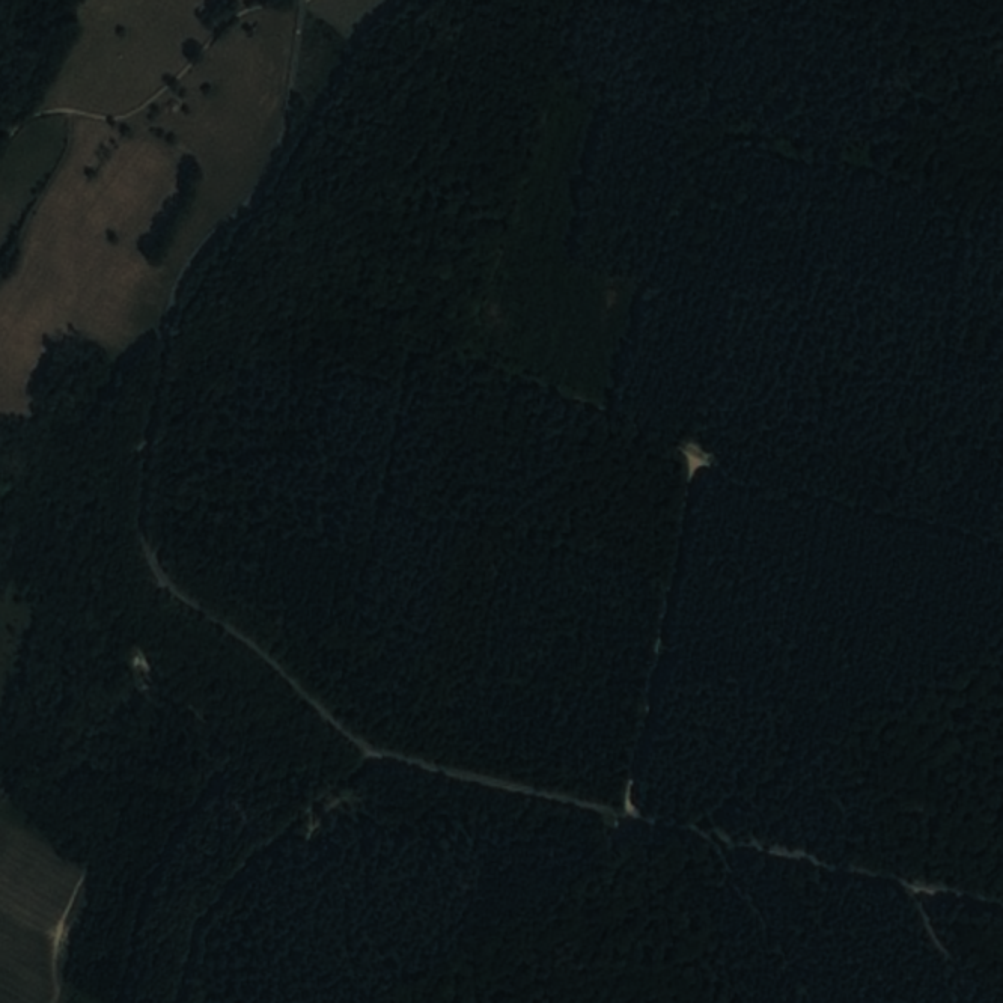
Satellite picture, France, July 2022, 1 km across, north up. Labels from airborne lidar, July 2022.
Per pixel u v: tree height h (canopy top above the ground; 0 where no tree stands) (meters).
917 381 33
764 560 19
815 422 31
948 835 26
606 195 24
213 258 15
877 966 26
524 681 9
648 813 21
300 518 14
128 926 25
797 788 31
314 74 0
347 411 34
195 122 0
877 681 23
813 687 27
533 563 18
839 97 30
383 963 37
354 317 18
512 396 16
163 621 16
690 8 20
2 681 0
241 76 0
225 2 20
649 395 25
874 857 24
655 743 38
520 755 14
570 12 18
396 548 27
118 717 23
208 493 18
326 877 38
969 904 9
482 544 17
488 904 25
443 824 18
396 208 13
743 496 24
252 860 7
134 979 22
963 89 18
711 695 34
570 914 25
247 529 17
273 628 18
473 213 21
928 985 27
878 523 24
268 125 0
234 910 15
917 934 28
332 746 22
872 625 23
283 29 0
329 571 18
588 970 21
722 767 34
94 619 26
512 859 26
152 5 0
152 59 0
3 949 0
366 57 19
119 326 0
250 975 27
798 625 26
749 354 34
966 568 25
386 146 16
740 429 25
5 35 23
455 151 18
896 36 23
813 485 22
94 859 16
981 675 24
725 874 14
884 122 23
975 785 22
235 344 20
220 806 24
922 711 25
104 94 0
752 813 34
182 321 16
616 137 27
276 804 20
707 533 22
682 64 25
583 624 19
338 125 20
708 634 23
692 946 23
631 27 27
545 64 19
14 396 0
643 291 18
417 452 23
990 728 19
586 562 20
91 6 0
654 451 21
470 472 26
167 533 21
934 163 20
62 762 26
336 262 17
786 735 27
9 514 19
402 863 39
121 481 19
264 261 23
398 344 13
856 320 32
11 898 0
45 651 23
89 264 0
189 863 27
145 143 0
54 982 0
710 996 19
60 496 17
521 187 6
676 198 21
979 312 36
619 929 23
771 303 29
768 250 24
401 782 19
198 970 20
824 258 31
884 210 23
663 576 14
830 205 22
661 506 18
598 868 26
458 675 17
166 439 20
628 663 24
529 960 24
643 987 25
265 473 25
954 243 23
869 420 34
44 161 0
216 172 0
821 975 26
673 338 25
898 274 27
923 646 20
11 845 0
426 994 25
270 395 32
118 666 26
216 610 14
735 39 22
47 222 0
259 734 20
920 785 26
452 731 16
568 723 14
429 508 22
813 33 27
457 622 17
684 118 28
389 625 18
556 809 14
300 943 38
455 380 23
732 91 16
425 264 19
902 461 34
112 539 21
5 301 0
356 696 17
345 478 32
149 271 0
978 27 21
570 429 18
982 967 24
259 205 18
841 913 23
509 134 17
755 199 23
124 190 0
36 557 18
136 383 23
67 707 36
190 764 34
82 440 18
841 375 33
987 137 25
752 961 20
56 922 0
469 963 25
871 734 26
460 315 19
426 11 20
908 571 23
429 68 22
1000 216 35
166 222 21
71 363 16
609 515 19
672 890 24
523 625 14
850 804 29
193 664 22
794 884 21
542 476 22
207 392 17
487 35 17
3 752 21
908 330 37
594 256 22
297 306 19
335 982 37
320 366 20
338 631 22
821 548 22
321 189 20
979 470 24
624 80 26
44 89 14
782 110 29
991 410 36
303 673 19
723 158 21
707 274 26
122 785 21
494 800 16
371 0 0
